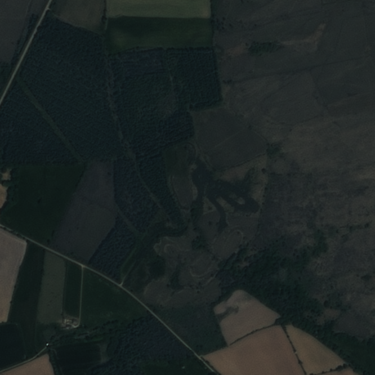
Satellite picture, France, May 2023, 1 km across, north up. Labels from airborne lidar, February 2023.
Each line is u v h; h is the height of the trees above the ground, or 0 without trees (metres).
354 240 0
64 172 0
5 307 0
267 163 0
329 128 0
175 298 0
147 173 22
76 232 0
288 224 0
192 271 0
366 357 0
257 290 10
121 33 0
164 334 22
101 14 0
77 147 19
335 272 0
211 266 0
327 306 10
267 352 0
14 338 0
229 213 0
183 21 0
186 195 0
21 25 0
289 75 0
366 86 0
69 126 18
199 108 17
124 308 0
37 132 17
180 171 0
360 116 0
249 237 0
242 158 0
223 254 0
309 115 0
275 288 14
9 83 0
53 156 23
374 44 0
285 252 0
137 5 0
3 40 0
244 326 0
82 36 23
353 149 0
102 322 0
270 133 0
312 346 0
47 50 13
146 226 13
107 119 19
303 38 0
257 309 0
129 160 12
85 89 16
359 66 0
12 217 0
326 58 0
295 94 0
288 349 0
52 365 9
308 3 0
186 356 8
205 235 0
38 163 22
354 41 0
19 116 19
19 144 26
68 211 0
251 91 0
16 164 15
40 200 8
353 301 0
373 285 0
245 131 0
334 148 0
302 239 0
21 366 0
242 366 0
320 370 0
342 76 0
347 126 0
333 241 0
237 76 0
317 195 0
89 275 0
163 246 0
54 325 0
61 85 17
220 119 0
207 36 0
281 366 0
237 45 0
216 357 0
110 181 0
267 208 0
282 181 0
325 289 0
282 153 0
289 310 16
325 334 13
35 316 0
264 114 0
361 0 0
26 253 0
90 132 17
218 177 0
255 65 0
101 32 0
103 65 23
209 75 24
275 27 0
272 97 0
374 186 0
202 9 0
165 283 0
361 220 0
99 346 0
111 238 15
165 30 0
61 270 0
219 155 0
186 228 9
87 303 0
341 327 0
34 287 0
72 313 0
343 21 0
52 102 18
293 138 0
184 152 0
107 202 0
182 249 0
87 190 0
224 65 0
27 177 0
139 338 19
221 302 6
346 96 0
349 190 0
